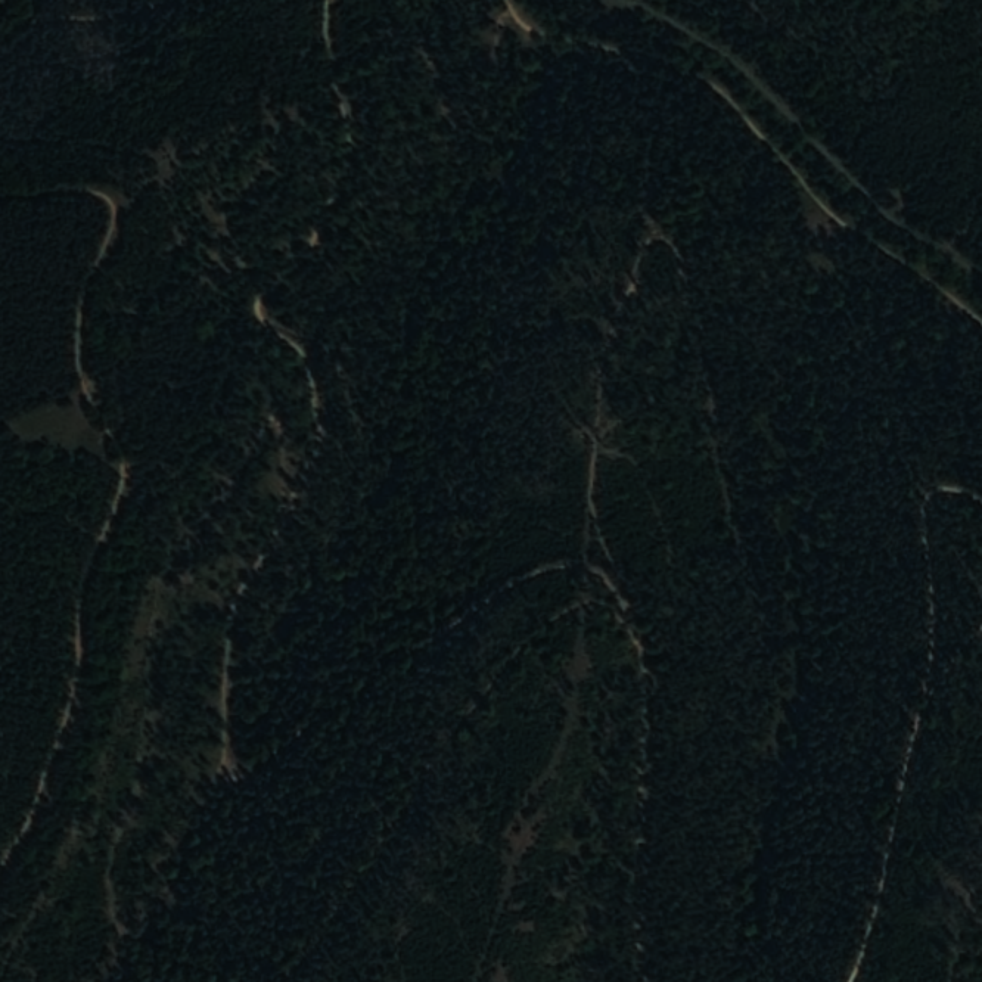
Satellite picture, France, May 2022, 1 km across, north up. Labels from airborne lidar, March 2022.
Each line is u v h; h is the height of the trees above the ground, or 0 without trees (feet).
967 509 66
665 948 87
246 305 74
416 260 89
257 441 113
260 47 44
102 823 23
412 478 105
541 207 116
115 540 61
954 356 113
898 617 105
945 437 119
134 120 22
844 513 104
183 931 101
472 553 33
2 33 66
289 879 114
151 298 69
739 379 123
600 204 108
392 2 52
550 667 43
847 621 96
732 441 115
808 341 100
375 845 93
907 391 110
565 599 21
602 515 20
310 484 123
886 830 115
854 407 114
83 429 0
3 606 55
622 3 0
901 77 29
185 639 121
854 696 123
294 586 31
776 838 120
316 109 72
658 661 100
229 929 105
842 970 112
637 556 33
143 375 75
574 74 31
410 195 141
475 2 69
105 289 56
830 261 88
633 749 106
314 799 108
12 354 66
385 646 79
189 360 85
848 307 86
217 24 37
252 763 64
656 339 117
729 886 127
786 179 105
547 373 110
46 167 61
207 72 42
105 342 78
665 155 36
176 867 63
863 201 102
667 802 112
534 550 19
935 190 68
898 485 95
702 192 26
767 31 108
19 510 33
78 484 54
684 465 29
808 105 52
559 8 98
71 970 25
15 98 87
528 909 30
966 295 46
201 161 35
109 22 83
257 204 112
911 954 20
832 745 118
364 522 94
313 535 33
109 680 73
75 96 42
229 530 56
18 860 74
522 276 101
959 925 108
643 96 130
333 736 80
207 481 101
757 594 130
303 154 105
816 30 103
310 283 109
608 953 101
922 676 101
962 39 34
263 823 78
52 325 69
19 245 70
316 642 111
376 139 111
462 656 109
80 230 72
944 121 41
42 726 54
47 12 83
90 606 68
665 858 110
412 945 22
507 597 30
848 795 27
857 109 30
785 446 128
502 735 33
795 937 21
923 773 18
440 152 95
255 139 82
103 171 52
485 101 112
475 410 84
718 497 32
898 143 54
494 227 73
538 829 25
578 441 0
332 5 33
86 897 30
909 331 93
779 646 120
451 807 96
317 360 115
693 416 128
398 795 100
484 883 25
